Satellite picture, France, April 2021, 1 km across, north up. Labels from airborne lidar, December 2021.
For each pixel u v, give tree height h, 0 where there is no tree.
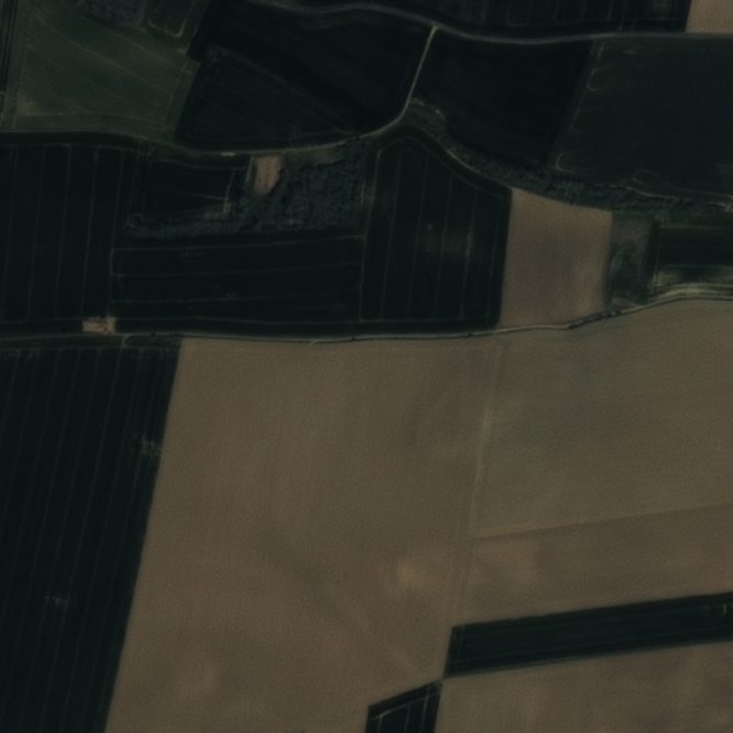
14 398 0
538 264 0
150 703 0
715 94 0
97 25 0
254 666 0
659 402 0
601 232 0
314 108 0
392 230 0
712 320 0
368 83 0
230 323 0
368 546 0
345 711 0
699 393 0
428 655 0
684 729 0
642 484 0
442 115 0
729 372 0
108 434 0
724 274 0
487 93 0
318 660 0
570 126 0
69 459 0
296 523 0
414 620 0
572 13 0
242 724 0
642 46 0
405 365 0
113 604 0
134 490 0
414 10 0
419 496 0
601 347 0
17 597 0
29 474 0
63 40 0
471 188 0
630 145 0
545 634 0
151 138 0
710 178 0
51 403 0
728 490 0
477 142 0
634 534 0
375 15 0
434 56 0
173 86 0
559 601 0
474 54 0
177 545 0
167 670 0
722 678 0
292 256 0
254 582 0
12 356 0
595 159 0
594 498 0
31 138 0
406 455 0
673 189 0
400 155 0
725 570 0
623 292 0
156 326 0
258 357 0
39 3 0
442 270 0
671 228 0
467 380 0
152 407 0
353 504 0
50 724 0
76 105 0
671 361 0
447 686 0
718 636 0
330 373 0
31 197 0
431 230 0
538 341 0
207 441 0
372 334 0
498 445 0
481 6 0
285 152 0
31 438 0
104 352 0
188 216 0
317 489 0
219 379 0
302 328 0
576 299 0
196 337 0
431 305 0
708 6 0
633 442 0
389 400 0
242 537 0
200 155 0
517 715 0
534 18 0
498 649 0
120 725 0
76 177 0
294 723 0
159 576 0
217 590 0
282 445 0
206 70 0
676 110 0
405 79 0
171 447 0
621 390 0
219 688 0
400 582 0
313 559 0
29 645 0
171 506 0
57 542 0
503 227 0
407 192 0
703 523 0
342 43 0
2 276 0
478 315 0
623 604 0
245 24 0
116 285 0
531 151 0
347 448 0
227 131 0
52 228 0
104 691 0
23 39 0
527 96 0
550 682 0
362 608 0
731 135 0
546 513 0
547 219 0
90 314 0
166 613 0
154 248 0
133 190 0
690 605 0
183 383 0
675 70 0
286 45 0
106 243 0
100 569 0
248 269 0
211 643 0
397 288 0
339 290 0
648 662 0
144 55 0
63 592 0
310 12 0
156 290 0
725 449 0
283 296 0
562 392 0
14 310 0
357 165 9
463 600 0
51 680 0
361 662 0
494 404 0
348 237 0
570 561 0
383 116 0
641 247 0
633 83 0
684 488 0
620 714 0
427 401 0
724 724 0
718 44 0
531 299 0
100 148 0
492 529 0
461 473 0
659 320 0
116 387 0
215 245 0
